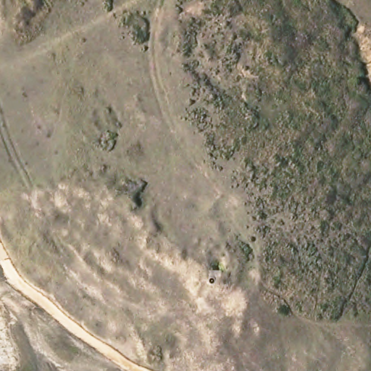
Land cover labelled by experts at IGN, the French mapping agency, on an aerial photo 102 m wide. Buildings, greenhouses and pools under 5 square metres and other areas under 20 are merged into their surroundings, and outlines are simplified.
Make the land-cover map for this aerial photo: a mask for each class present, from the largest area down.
<instances>
[{"label":"bare soil","instance_id":"1","mask_svg":"<svg viewBox=\"0 0 371 371\"><path fill-rule=\"evenodd\" d=\"M213 0H0V229L1 235L12 249L14 259L20 262V271L43 291L54 294L62 310L75 320L84 322L94 335L125 343L128 341V326L132 325L136 335L141 339L143 349L148 352L146 358L135 359V364L149 371H235V362L232 358L225 359L222 364L217 362L219 352L216 348L220 339L229 330L241 333L246 300L258 290L259 255L261 251H265V243L262 242V233L257 230L258 223L252 220L251 214L245 213L242 201H239L230 190L232 170H213L206 136L197 130V126L184 120L185 106L190 103L194 78L184 71V55L178 54V46L183 35L178 28V20H190L193 16H200L204 9H210ZM135 10L145 13L151 23L148 51H143L141 43L133 39V28L123 26V17H128L130 12ZM352 6L349 9L358 19L355 36L359 42L361 57L367 62L368 77L371 75V0H351ZM0 371H123L113 364L112 358L64 328L58 319L42 309L32 297L26 296L22 290L14 287L7 280L0 265Z\"/></svg>","mask_w":371,"mask_h":371},{"label":"herbaceous vegetation","instance_id":"2","mask_svg":"<svg viewBox=\"0 0 371 371\"><path fill-rule=\"evenodd\" d=\"M352 6L351 0H213L210 9H204L200 16H193L190 20H178V28L183 35L178 46V54L184 55V71L194 78L190 103L185 106L184 120L197 126V130L206 136L213 170H232L230 190L239 201H242L245 213L251 214L252 220L258 223L257 230L262 233V242L265 243V251H261L259 255L258 290L246 300L241 333L229 330L220 339L216 348L219 352L217 362L222 364L225 359L232 358L235 362V371H371V75L368 77L367 62L361 57L359 42L355 36L358 19L349 9ZM123 26L133 28V39L141 43L143 51H148L151 23L145 13L135 10L130 12L128 17H123Z\"/></svg>","mask_w":371,"mask_h":371},{"label":"pervious surface","instance_id":"3","mask_svg":"<svg viewBox=\"0 0 371 371\"><path fill-rule=\"evenodd\" d=\"M0 265L7 280L14 287L22 290L26 296L32 297L42 309L58 319L64 328L112 358L113 364L123 371H149L135 364V359L146 358L148 352L143 349L141 339L136 335L132 325L128 326V341L125 343L94 335L84 322L75 320L62 310L54 294L43 291L20 271V262L14 259L12 249L1 235L0 229Z\"/></svg>","mask_w":371,"mask_h":371}]
</instances>
